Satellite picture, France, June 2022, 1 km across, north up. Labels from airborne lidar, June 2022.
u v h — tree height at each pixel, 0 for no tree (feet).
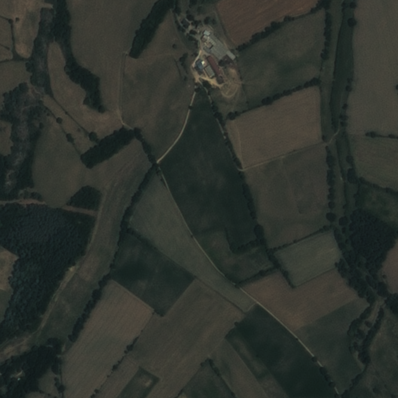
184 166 0
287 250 0
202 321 0
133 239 0
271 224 0
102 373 0
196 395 0
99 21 0
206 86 52
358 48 0
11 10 0
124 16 0
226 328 0
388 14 0
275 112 0
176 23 35
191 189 0
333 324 0
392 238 52
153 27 44
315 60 0
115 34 0
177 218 0
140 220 0
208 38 0
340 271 37
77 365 0
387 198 0
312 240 0
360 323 43
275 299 0
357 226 51
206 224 0
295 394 0
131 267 0
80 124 0
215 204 0
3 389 0
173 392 0
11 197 37
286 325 0
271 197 0
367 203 0
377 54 0
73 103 0
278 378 0
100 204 0
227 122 0
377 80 0
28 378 45
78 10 0
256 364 0
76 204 52
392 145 0
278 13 0
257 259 0
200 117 0
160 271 0
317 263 0
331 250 0
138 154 0
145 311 0
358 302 0
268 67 0
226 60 0
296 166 0
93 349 0
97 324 0
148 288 0
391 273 0
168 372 0
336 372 0
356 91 0
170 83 0
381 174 0
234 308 0
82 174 0
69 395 0
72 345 0
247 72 0
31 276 66
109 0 0
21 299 53
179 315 0
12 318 57
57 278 48
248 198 41
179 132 0
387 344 0
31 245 36
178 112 0
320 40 0
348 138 0
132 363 0
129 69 0
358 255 50
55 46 0
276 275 0
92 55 0
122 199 0
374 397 0
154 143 0
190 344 0
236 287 29
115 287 0
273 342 0
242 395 0
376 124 0
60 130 0
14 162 0
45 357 52
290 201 0
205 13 0
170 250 0
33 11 0
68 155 0
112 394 0
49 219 78
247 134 0
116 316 0
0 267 0
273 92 0
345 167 0
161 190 0
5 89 0
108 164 0
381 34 0
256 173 0
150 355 0
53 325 0
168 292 0
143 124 0
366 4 0
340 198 0
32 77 29
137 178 0
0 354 0
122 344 0
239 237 0
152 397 0
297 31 0
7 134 0
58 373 50
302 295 0
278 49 0
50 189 0
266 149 0
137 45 46
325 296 0
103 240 0
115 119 0
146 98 0
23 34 0
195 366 0
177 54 0
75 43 0
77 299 0
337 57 17
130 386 0
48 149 0
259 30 0
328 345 0
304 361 0
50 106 0
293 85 0
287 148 0
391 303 52
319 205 0
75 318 0
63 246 103
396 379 0
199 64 0
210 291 0
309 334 0
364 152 0
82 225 49
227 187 0
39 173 0
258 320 0
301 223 0
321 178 0
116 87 0
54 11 26
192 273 0
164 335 0
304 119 0
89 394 0
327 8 47
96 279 0
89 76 45
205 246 0
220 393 0
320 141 0
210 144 0
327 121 0
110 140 47
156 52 0
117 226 0
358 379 47
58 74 0
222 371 0
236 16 0
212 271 0
